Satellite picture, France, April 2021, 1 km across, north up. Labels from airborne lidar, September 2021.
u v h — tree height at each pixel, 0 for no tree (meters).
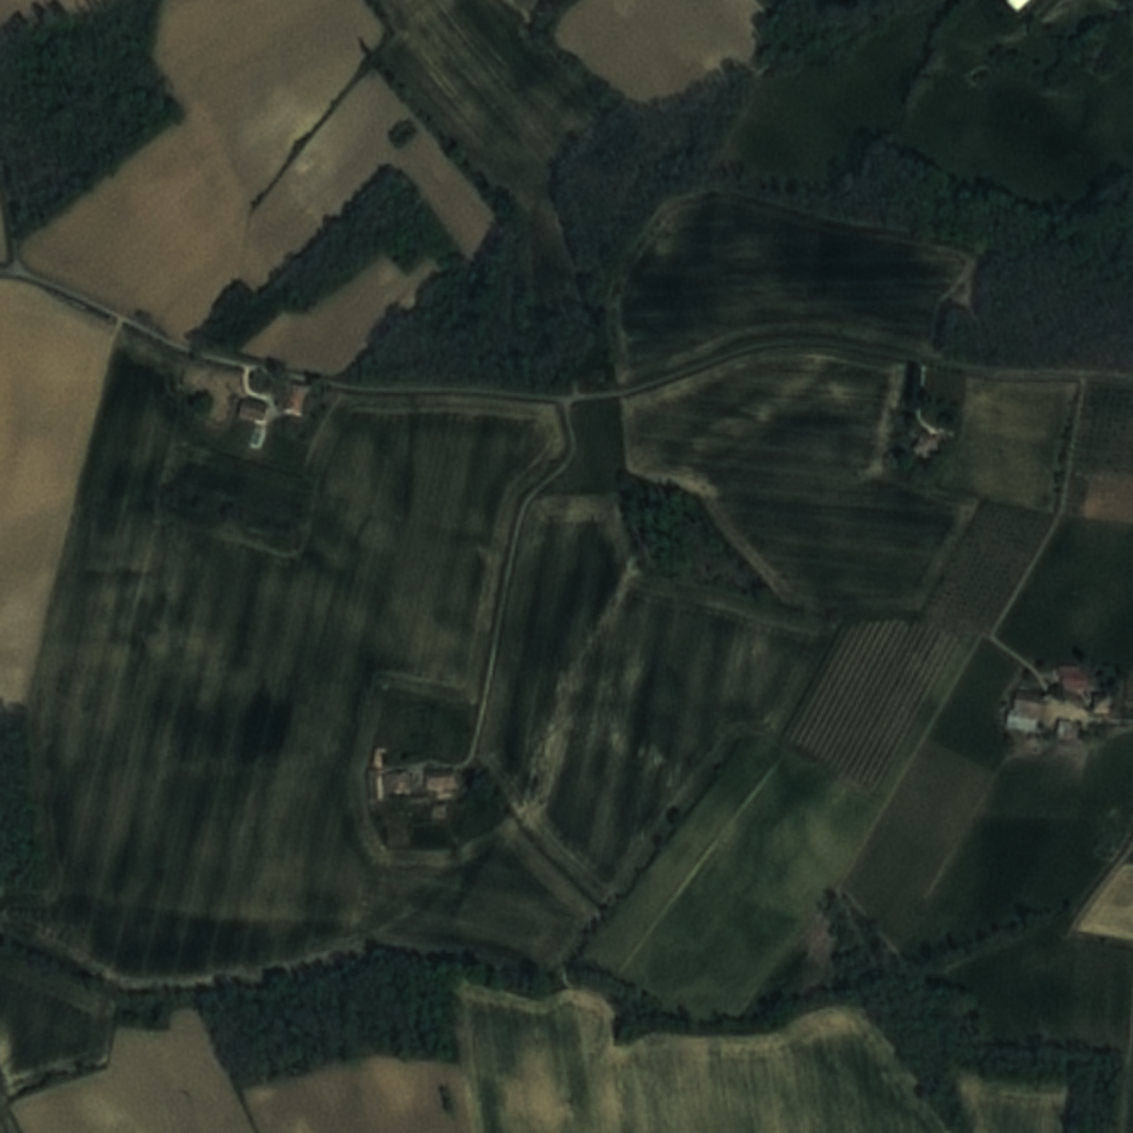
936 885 0
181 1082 0
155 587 0
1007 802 0
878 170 26
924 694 0
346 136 0
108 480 0
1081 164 0
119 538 0
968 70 0
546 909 0
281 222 0
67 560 0
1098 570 0
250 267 0
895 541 0
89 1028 0
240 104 0
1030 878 0
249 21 0
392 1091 0
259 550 0
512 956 0
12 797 23
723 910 0
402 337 22
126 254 0
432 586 0
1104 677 10
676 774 0
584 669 0
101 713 0
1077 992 0
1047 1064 18
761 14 0
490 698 0
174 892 0
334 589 0
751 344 0
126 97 11
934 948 0
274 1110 0
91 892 0
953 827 0
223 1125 0
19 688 0
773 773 0
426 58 0
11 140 7
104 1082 0
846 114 0
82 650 0
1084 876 0
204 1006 20
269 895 0
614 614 0
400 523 0
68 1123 0
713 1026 7
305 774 0
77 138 9
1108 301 21
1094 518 0
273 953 0
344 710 0
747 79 16
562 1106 0
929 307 0
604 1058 0
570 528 0
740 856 0
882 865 0
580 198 17
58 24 21
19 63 24
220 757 0
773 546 0
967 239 22
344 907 0
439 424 0
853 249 0
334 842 0
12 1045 0
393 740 0
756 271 0
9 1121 0
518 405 0
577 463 0
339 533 0
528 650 0
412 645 0
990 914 0
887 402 0
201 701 0
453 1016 26
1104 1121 21
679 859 0
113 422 0
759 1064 0
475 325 24
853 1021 0
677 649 0
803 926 0
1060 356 17
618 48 0
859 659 0
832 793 0
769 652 0
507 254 26
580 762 0
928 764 0
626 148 17
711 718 0
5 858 21
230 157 0
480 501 0
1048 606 0
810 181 0
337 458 0
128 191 0
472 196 0
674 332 0
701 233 0
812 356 0
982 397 0
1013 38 0
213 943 0
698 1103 0
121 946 0
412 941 0
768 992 0
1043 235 20
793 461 0
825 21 18
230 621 0
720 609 0
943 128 0
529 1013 0
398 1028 23
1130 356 16
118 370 0
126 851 0
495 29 0
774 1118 0
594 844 0
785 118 0
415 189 7
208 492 0
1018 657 0
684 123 18
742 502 0
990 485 0
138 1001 13
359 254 14
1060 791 0
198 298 0
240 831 0
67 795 0
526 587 0
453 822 0
